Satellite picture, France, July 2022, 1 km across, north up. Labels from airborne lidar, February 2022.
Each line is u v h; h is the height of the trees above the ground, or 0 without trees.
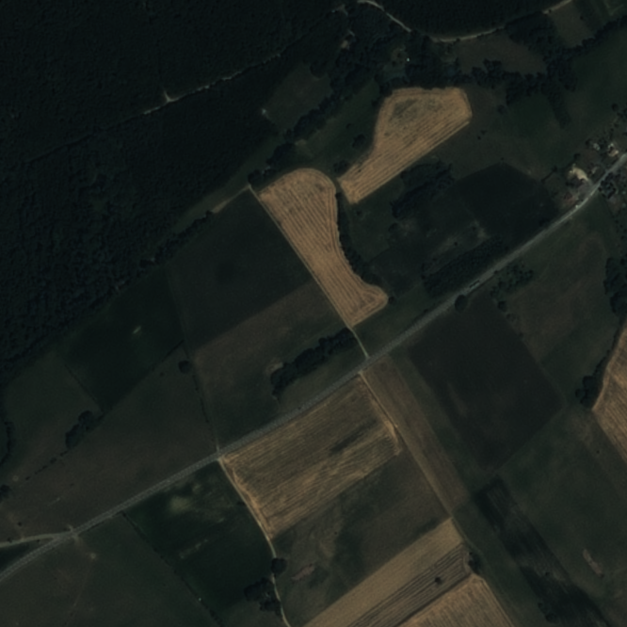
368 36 14
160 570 0
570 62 21
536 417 0
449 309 0
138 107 18
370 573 0
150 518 0
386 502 0
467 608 0
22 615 0
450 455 0
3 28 15
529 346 0
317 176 0
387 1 7
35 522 0
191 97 11
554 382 0
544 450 0
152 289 0
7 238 9
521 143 0
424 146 0
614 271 10
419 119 0
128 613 0
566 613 0
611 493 0
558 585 0
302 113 0
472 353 0
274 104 0
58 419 0
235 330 0
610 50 0
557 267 0
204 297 0
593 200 0
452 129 0
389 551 0
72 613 0
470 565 8
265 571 0
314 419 0
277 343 0
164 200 17
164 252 20
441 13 7
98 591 0
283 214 0
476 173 0
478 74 20
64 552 0
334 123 0
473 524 0
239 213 0
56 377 0
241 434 0
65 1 21
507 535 0
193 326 0
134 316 0
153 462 0
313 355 16
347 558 0
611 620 0
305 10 12
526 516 0
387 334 0
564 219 0
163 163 12
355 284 0
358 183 0
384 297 0
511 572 0
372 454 0
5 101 15
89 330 0
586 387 12
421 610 0
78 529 0
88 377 0
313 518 0
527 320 0
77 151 19
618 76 0
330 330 0
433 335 0
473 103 0
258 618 0
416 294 0
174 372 0
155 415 0
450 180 15
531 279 7
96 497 0
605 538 0
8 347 7
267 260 0
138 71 18
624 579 0
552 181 0
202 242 0
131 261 22
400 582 0
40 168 12
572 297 0
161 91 17
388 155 0
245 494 0
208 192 15
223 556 0
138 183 13
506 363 0
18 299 7
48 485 0
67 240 14
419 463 0
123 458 0
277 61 12
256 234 0
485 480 0
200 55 18
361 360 0
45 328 16
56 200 16
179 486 0
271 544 0
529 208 0
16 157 12
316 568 0
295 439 0
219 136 14
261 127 12
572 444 0
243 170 0
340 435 0
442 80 21
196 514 0
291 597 0
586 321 0
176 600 0
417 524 0
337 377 0
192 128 12
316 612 0
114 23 18
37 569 0
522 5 15
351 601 0
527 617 0
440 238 0
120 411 0
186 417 0
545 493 0
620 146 0
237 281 0
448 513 0
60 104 18
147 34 16
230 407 0
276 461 0
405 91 0
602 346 0
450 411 0
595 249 0
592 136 0
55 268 13
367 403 0
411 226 0
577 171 0
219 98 12
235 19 21
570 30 0
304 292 0
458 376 0
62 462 0
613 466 0
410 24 8
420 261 0
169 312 0
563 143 0
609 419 0
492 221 0
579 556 0
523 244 0
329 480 0
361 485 0
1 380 18
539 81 11
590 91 0
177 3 21
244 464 0
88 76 21
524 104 0
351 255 15
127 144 13
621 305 16
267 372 0
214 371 0
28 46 16
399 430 0
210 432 0
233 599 0
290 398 0
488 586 0
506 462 0
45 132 13
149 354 0
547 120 0
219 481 0
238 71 12
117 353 0
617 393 0
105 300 21
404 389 0
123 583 0
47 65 20
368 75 21
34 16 14
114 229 20
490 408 0
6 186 25
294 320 0
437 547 0
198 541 0
